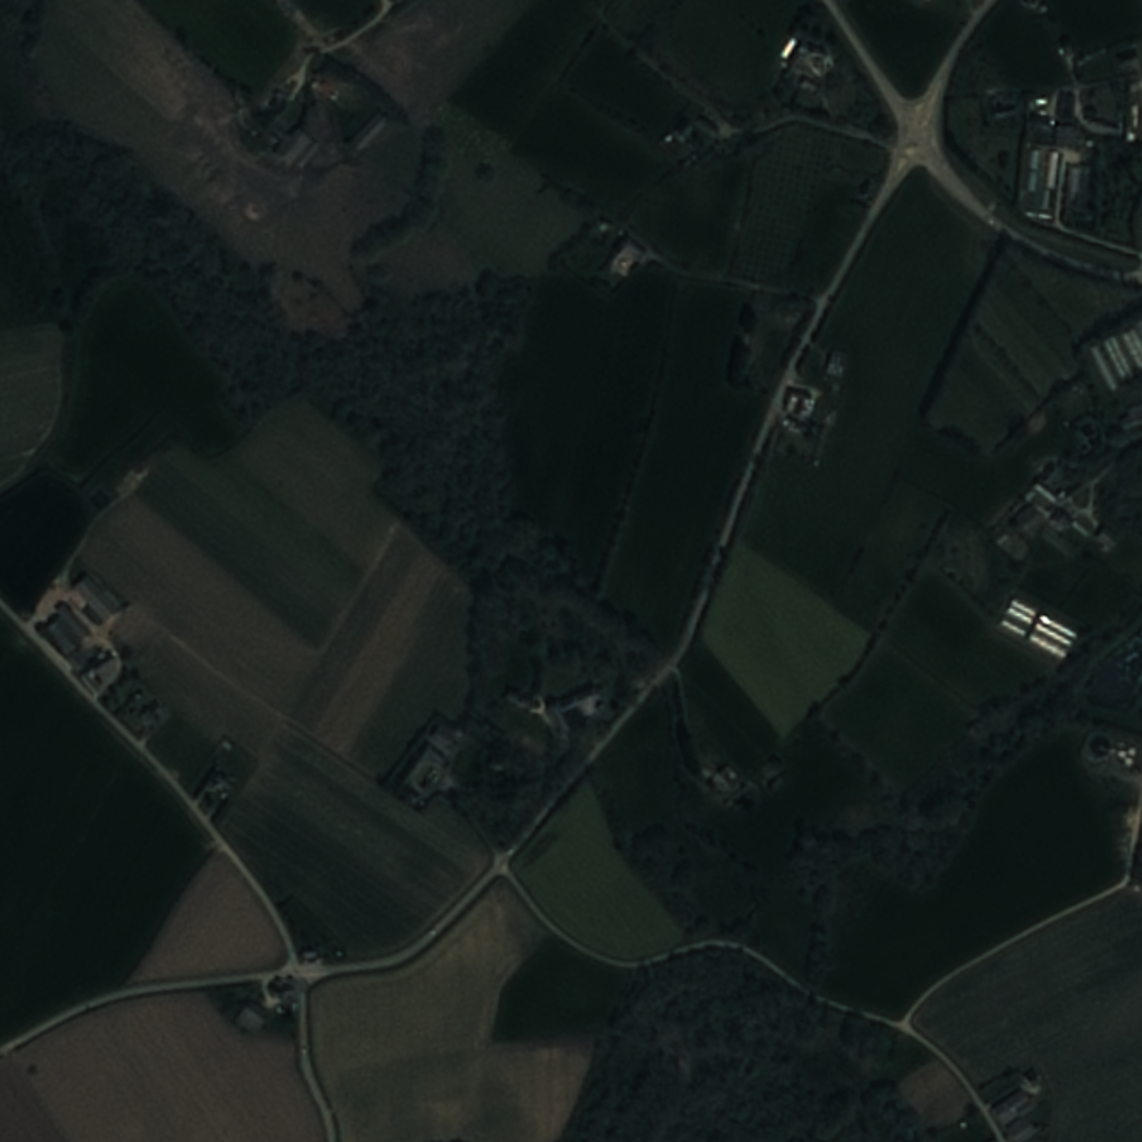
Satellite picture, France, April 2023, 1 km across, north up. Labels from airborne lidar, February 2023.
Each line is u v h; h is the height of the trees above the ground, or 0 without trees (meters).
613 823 9
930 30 0
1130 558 0
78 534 0
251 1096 0
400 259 0
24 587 0
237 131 0
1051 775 0
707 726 0
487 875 0
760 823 0
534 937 0
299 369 17
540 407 0
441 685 0
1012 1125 0
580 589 11
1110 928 0
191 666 0
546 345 0
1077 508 0
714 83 0
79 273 0
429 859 0
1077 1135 0
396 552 0
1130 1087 0
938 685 0
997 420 0
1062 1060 0
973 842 0
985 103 0
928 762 0
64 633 0
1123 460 15
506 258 0
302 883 0
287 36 0
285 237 0
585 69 0
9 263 0
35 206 7
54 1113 0
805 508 0
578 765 14
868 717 0
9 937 0
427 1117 0
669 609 0
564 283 0
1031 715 16
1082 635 7
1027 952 0
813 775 0
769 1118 9
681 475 0
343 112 0
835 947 0
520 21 0
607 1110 10
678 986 13
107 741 0
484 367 9
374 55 0
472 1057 0
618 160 0
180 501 0
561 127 0
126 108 0
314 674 0
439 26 0
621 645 26
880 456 0
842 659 0
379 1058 0
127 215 10
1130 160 6
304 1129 0
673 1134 7
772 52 0
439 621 0
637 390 0
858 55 0
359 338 11
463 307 18
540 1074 0
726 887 0
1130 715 0
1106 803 0
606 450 0
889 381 0
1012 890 0
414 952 0
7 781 0
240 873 0
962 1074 0
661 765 0
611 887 0
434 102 0
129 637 0
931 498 0
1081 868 0
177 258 11
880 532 0
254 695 0
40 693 0
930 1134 8
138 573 0
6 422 0
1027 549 0
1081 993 0
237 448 0
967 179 0
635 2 0
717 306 0
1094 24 0
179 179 0
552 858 0
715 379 0
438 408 23
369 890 0
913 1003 0
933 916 0
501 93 0
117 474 0
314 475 0
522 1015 0
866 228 0
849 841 15
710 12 0
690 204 0
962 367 0
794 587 0
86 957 0
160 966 0
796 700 0
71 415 0
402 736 0
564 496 0
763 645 0
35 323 0
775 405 0
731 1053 16
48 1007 0
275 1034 0
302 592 0
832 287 0
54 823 0
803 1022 26
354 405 9
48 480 0
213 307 9
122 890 0
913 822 21
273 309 16
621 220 7
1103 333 16
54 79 0
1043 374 0
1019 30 0
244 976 0
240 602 0
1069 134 0
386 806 0
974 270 0
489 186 8
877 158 0
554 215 0
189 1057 0
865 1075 0
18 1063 0
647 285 0
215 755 0
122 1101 0
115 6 0
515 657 0
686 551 0
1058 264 14
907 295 0
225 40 0
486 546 11
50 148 9
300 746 0
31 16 10
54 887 0
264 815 0
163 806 0
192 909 0
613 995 0
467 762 0
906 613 0
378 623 0
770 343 0
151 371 0
